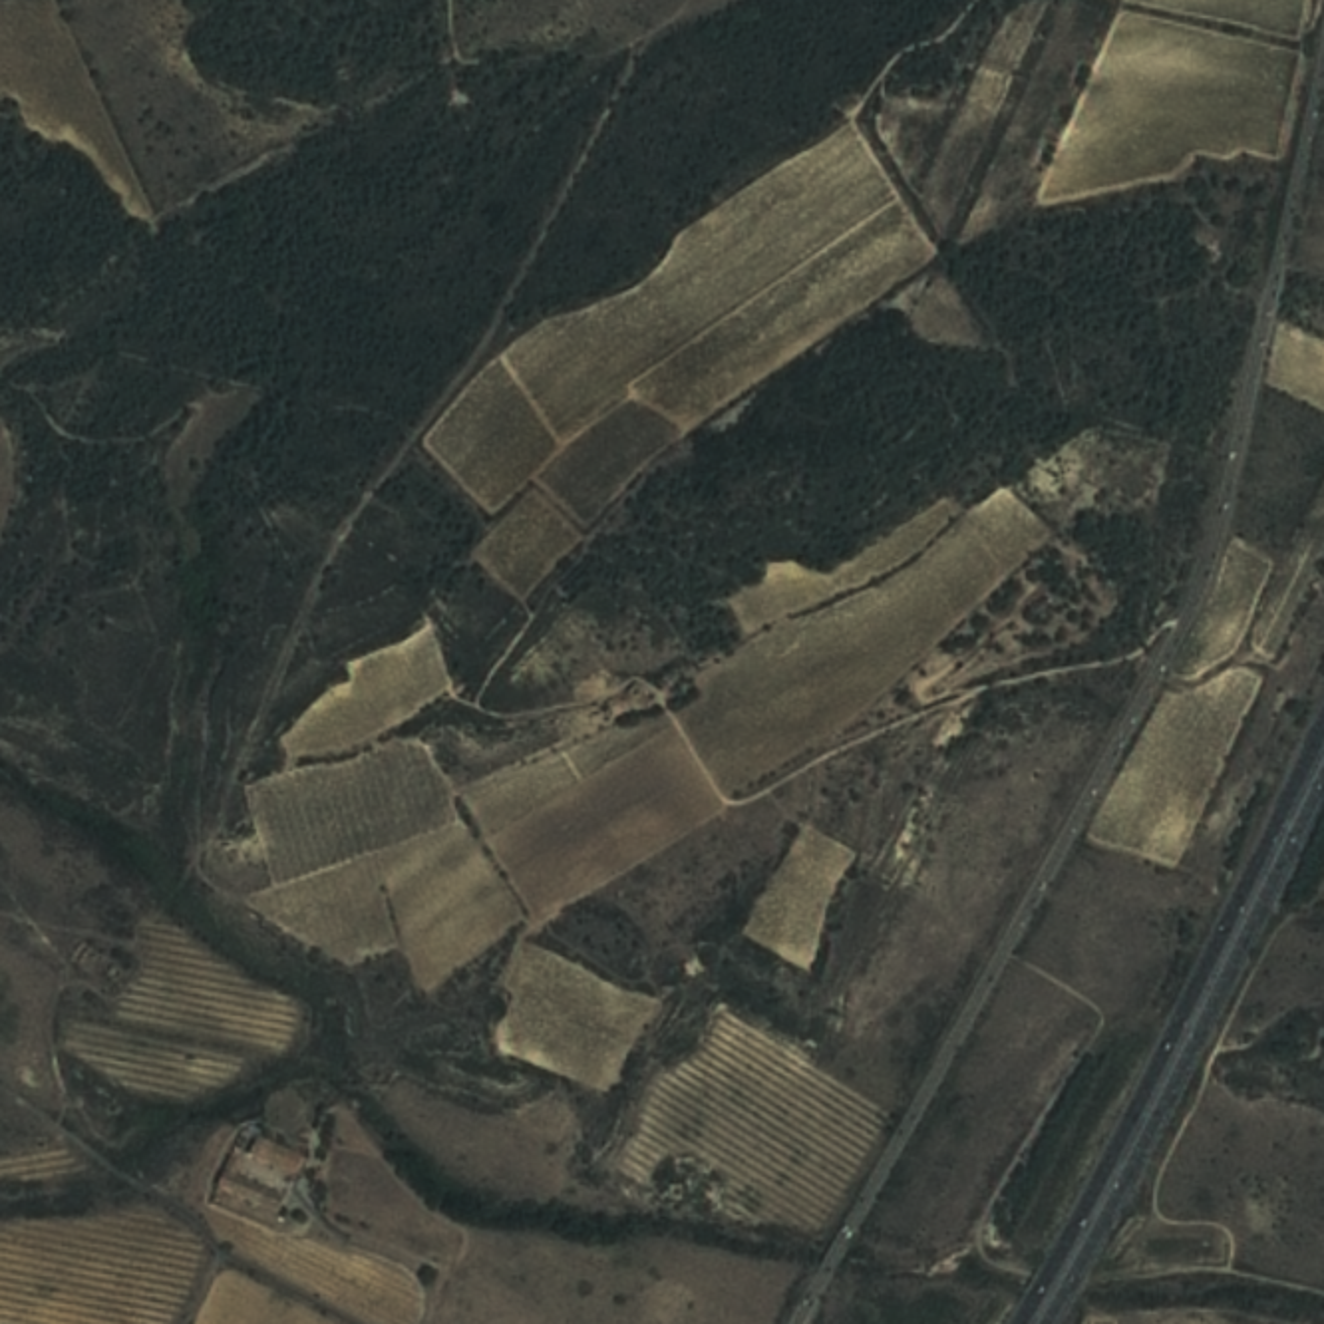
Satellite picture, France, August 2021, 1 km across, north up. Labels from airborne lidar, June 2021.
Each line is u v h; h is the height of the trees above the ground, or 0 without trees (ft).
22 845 0
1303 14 0
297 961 0
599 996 0
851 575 0
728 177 0
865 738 0
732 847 0
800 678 0
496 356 0
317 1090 0
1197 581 0
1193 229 29
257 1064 0
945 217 0
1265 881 0
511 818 0
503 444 0
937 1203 0
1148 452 0
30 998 0
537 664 0
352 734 0
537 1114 0
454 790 0
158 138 0
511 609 0
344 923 0
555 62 30
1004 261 31
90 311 0
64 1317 0
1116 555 26
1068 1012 0
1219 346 26
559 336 0
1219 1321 0
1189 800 0
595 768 0
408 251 21
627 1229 32
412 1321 0
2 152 24
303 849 0
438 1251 0
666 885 0
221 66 23
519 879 0
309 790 0
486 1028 0
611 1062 0
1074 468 0
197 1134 0
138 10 0
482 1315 0
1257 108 0
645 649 0
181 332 28
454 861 0
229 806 0
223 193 31
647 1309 0
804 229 0
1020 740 0
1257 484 0
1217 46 0
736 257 0
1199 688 0
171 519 38
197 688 0
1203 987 0
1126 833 0
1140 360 29
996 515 0
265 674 0
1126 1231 0
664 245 0
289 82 22
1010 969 0
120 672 0
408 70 23
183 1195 0
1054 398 30
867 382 30
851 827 0
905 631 0
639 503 27
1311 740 0
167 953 0
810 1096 0
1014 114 0
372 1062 0
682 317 0
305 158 22
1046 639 31
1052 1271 0
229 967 0
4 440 0
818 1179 0
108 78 0
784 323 0
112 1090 0
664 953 0
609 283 17
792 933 0
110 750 0
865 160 0
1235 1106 0
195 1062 0
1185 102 0
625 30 0
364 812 0
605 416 0
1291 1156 0
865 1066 0
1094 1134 0
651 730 0
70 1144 0
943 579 0
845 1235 0
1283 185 0
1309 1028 0
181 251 26
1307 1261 0
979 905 0
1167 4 0
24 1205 0
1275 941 0
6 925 0
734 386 0
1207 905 0
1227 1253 0
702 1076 0
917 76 20
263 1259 0
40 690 0
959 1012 0
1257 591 0
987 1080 0
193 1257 0
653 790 0
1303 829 0
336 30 45
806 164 0
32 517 0
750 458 20
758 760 0
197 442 0
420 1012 0
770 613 0
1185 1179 0
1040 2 0
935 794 0
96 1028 0
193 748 0
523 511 0
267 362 37
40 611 21
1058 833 0
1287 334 0
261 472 24
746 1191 0
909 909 0
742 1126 0
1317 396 0
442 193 21
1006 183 0
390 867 0
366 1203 0
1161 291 21
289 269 36
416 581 19
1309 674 0
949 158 0
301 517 0
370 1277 0
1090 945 0
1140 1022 0
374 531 0
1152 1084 0
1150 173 0
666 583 24
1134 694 0
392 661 0
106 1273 0
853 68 19
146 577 19
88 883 0
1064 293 27
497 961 0
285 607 0
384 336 22
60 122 0
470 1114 0
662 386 0
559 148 0
